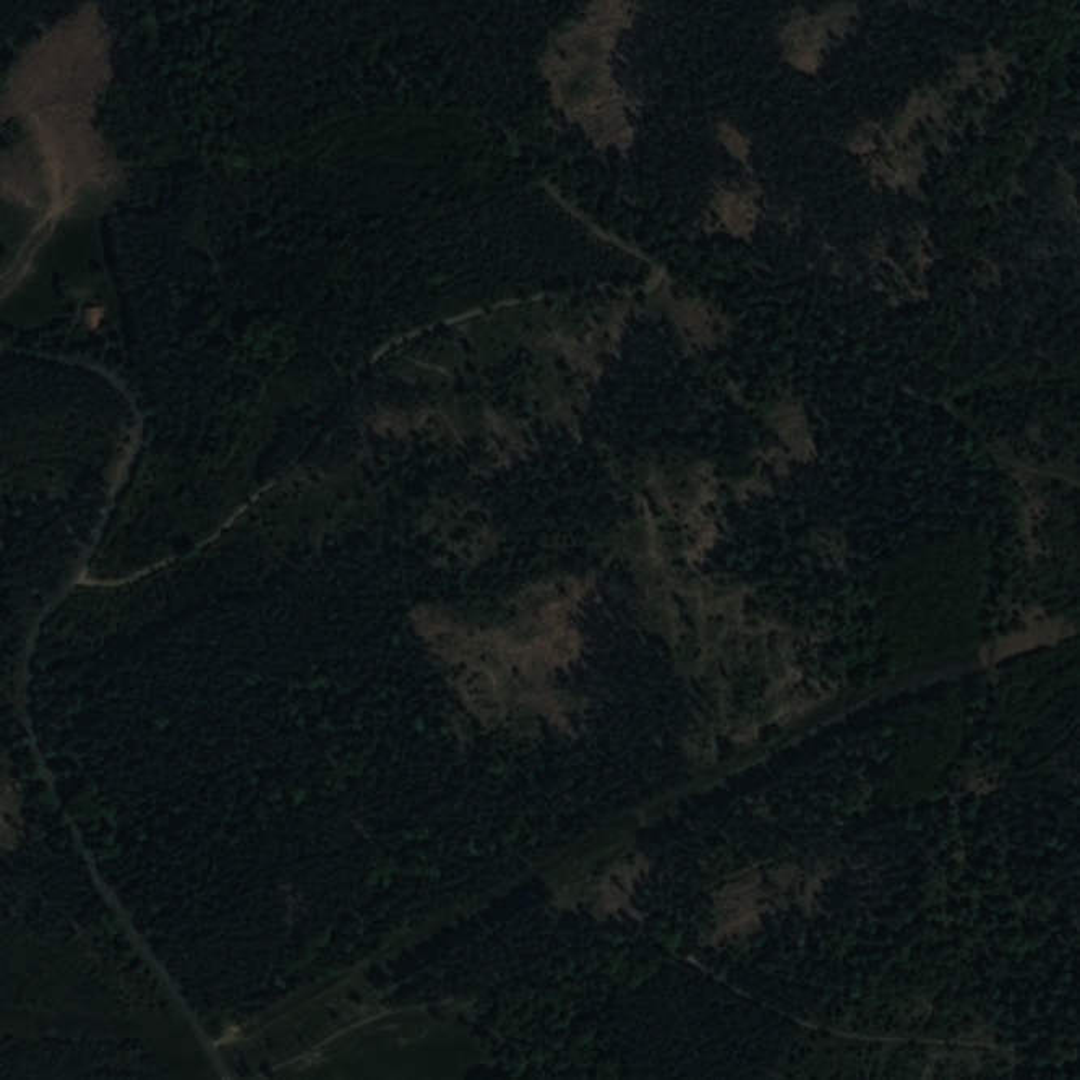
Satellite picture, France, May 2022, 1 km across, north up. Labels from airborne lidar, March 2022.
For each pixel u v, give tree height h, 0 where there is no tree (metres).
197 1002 18
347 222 9
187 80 24
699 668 0
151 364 21
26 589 26
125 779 29
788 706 0
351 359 8
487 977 30
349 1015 0
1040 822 15
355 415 23
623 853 0
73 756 19
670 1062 19
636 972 24
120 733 33
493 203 7
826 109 25
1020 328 22
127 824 29
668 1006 20
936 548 16
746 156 0
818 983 10
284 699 28
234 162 19
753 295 22
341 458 21
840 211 27
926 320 19
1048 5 25
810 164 28
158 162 12
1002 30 24
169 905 22
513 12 26
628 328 0
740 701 6
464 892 28
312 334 11
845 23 0
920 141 16
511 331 0
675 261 24
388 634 26
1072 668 12
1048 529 7
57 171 0
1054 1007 26
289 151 16
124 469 0
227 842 25
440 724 26
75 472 7
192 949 20
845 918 31
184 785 28
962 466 11
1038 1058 24
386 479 8
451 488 20
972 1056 0
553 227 6
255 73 27
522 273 7
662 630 0
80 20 0
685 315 0
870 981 20
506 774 6
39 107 0
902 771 17
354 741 26
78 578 0
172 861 26
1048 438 8
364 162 9
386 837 23
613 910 0
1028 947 17
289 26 25
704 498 0
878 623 17
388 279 9
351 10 28
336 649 23
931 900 21
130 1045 8
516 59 23
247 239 9
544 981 28
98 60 0
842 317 24
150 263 28
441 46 27
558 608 0
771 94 25
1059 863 27
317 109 23
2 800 0
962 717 15
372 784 26
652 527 0
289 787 25
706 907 22
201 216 0
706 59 24
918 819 24
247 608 25
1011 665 12
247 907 24
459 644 0
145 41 21
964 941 19
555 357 0
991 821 31
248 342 18
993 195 20
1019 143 18
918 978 22
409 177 9
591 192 27
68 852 28
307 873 22
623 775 26
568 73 0
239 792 31
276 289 14
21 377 24
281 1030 0
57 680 16
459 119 18
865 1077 8
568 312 8
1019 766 31
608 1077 26
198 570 8
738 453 23
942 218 26
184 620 20
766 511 27
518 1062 26
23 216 0
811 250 26
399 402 21
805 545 22
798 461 0
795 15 26
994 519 11
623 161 29
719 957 8
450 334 26
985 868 27
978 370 19
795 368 21
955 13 26
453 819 27
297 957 25
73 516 22
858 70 25
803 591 26
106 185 0
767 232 23
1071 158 15
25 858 25
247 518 0
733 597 0
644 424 28
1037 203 22
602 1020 26
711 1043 16
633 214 29
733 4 26
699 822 26
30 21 20
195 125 20
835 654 24
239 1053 0
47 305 0
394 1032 0
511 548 8
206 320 25
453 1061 0
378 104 22
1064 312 17
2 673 10
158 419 20
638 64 26
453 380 0
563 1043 24
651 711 29
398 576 23
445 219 7
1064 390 9
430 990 27
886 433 31
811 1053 6
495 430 0
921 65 24
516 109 22
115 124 9
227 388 16
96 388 24
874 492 28
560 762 29
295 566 20
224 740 26
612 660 31
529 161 22
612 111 0
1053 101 18
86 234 0
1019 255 23
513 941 34
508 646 0
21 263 0
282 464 21
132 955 9
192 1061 0
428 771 26
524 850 32
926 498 26
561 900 0
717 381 5
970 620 17
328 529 0
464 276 7
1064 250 18
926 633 17
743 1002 19
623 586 31
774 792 25
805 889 7
